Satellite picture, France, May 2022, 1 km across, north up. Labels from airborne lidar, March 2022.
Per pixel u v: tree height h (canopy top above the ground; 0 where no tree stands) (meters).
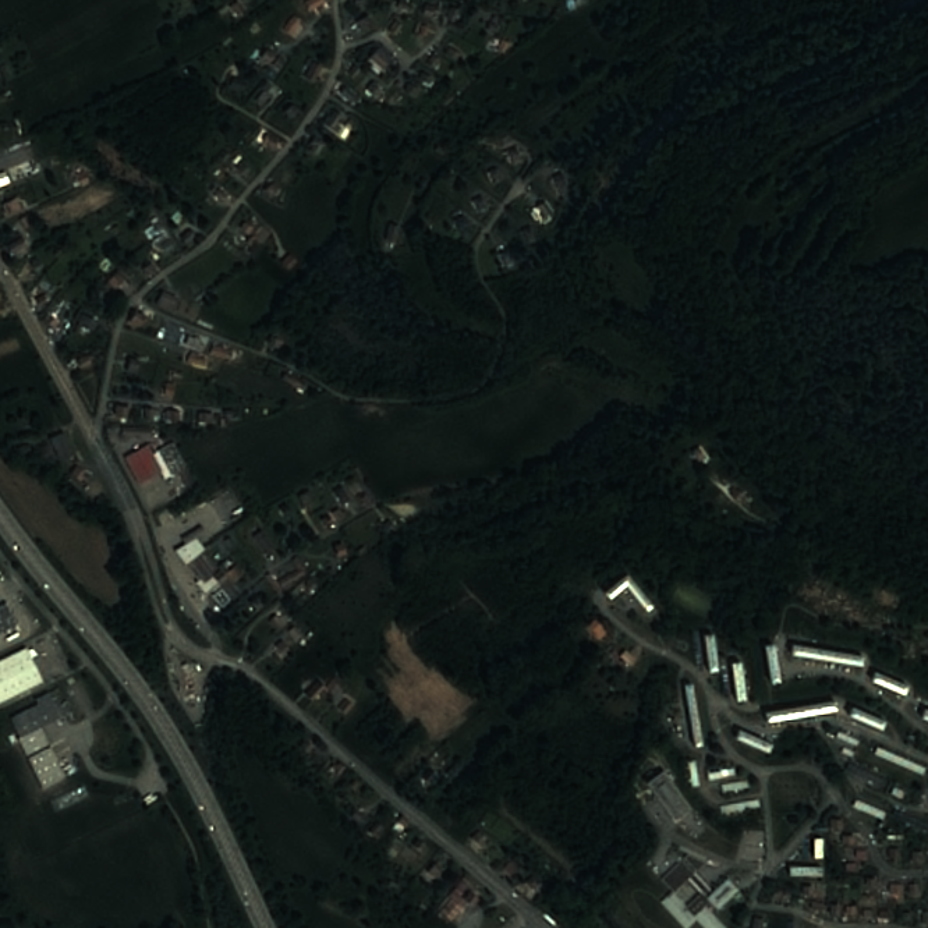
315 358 15
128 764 0
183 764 0
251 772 0
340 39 0
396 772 0
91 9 0
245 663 0
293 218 0
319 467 0
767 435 25
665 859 0
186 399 0
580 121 0
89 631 0
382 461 0
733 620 16
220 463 0
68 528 0
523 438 0
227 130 20
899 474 28
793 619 0
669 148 29
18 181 0
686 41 0
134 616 16
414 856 0
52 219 0
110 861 0
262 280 0
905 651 13
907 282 26
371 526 0
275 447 0
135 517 0
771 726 0
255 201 0
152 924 0
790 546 23
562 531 5
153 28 0
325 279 24
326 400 0
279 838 0
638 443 18
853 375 31
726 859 0
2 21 0
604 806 16
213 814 0
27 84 0
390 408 0
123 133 18
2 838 0
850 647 0
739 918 17
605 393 0
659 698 8
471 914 0
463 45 0
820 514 23
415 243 11
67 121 9
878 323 33
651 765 0
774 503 26
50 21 0
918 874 0
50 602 0
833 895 0
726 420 26
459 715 0
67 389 0
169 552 0
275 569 0
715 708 0
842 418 29
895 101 0
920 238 0
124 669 0
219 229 0
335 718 0
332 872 0
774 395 23
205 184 0
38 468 8
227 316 0
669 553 6
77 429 0
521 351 16
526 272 19
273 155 0
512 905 0
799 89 22
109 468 0
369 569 0
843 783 13
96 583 0
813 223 17
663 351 20
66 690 0
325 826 0
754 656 0
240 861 0
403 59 0
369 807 0
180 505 6
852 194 17
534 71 11
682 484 15
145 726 0
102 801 0
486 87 0
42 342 0
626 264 0
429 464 0
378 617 0
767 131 21
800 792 0
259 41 0
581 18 0
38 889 0
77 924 0
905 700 0
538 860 6
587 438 21
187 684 0
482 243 0
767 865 0
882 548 20
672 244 24
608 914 0
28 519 0
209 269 0
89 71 0
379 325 18
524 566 14
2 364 0
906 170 13
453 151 11
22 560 0
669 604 13
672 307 19
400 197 0
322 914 0
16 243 0
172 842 0
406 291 21
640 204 24
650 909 0
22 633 0
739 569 11
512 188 0
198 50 0
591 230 17
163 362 0
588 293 13
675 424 32
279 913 14
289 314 17
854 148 20
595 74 16
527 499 7
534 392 0
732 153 22
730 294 24
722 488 0
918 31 26
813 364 22
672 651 0
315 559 0
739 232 0
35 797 0
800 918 0
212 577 0
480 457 0
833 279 25
